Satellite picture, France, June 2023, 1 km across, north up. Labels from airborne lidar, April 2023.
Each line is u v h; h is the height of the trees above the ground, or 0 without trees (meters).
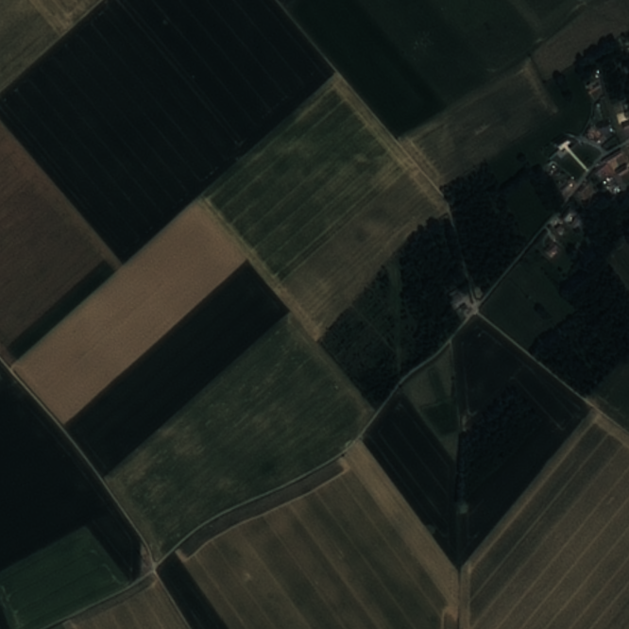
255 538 0
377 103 0
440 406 0
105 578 0
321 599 0
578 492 0
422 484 0
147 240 0
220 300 0
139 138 0
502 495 0
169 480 0
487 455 15
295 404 0
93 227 0
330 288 0
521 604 0
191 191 0
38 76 0
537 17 0
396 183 0
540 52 0
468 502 0
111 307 0
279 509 0
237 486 0
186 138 0
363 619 0
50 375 0
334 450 0
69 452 0
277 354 0
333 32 0
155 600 0
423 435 0
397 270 0
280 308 0
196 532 0
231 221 0
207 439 0
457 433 0
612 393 0
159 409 0
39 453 0
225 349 0
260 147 0
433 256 21
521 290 0
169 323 0
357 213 0
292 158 0
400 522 0
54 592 0
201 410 0
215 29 0
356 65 0
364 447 0
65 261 0
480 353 0
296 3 0
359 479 0
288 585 0
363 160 0
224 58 0
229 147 0
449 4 0
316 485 0
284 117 0
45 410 0
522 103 0
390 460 0
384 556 0
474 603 0
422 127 0
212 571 0
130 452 0
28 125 0
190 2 0
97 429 0
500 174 0
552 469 0
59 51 0
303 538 0
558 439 0
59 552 0
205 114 0
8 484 0
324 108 0
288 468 0
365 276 0
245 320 0
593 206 13
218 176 0
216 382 0
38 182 0
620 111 0
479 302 0
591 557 0
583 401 0
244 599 0
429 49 0
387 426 0
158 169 0
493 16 0
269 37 0
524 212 0
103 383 0
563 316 0
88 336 0
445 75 0
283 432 0
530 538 0
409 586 0
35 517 0
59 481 0
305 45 0
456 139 0
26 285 0
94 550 0
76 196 0
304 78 0
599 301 24
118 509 0
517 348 0
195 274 0
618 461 0
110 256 0
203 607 0
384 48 0
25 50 0
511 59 0
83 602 0
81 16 0
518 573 0
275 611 0
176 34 0
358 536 0
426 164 0
